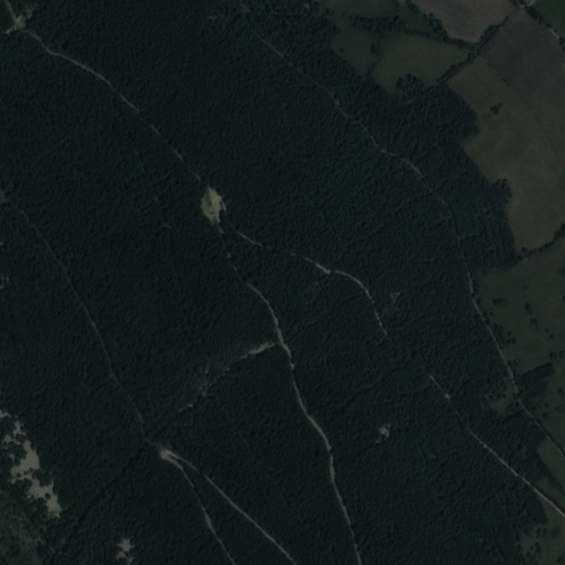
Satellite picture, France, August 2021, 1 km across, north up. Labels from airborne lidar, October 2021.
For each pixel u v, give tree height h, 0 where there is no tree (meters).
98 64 21
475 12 0
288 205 23
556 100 0
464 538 21
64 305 19
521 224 0
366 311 14
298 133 19
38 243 14
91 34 20
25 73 15
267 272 19
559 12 0
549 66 0
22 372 17
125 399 10
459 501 16
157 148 18
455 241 12
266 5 15
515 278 0
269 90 16
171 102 23
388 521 22
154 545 15
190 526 19
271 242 16
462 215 19
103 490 10
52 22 21
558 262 0
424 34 8
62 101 17
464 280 14
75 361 18
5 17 12
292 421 14
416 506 17
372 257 12
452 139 14
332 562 17
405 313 14
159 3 21
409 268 16
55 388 14
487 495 13
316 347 12
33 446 10
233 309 21
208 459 15
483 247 14
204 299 21
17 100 19
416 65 0
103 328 13
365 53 0
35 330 14
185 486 17
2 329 13
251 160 20
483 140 0
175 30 22
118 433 15
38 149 17
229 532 15
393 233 15
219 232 12
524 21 0
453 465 22
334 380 18
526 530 11
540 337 0
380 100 12
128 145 16
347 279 13
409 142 11
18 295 16
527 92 0
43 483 9
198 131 21
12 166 17
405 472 22
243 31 22
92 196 24
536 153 0
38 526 10
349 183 17
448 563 20
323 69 14
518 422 22
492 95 0
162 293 24
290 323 15
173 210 19
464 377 17
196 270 19
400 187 13
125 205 22
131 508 18
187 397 9
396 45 0
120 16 21
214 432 15
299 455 16
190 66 16
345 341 14
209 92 19
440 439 23
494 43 0
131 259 22
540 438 19
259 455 16
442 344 17
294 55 21
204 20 13
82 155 15
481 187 14
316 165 19
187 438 15
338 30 23
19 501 9
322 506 15
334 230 8
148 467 16
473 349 21
